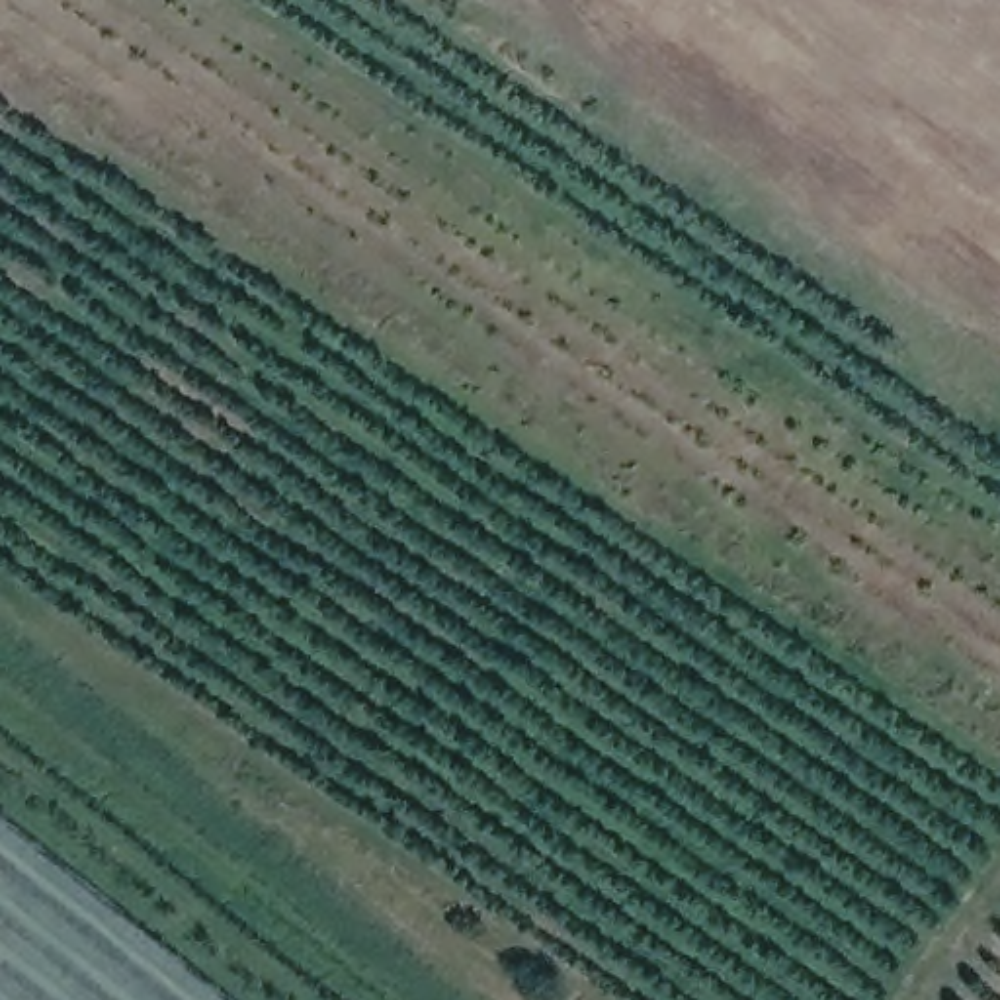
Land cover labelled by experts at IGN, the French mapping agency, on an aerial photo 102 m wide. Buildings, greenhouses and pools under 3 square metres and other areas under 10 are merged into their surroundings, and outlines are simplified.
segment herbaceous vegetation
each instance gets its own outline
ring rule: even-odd
[[[789,207],[773,207],[766,191],[758,191],[762,176],[746,172],[746,164],[734,160],[719,141],[695,137],[691,145],[668,145],[656,121],[648,125],[637,109],[625,105],[629,90],[613,74],[586,63],[574,47],[566,47],[559,31],[551,31],[547,23],[523,27],[516,16],[492,12],[480,0],[402,0],[465,47],[504,66],[535,94],[559,102],[594,133],[621,145],[656,176],[680,184],[691,199],[703,199],[707,207],[723,211],[750,238],[805,266],[828,289],[855,301],[867,316],[887,320],[895,332],[891,340],[879,340],[871,355],[898,367],[922,391],[953,406],[961,418],[980,422],[980,430],[992,430],[1000,438],[1000,344],[980,332],[949,328],[941,316],[926,313],[922,305],[910,305],[906,297],[891,297],[871,270],[840,270],[828,254],[813,250],[813,242],[797,230]]]
[[[0,273],[20,289],[31,289],[39,301],[51,301],[55,309],[63,305],[66,289],[43,281],[43,273],[35,273],[23,262],[8,262],[0,270]]]
[[[660,535],[695,566],[730,570],[738,578],[738,594],[754,598],[773,617],[797,625],[805,637],[828,641],[832,660],[859,672],[863,684],[883,688],[914,719],[926,719],[930,727],[945,730],[957,746],[969,746],[980,762],[992,762],[1000,770],[1000,500],[984,492],[977,480],[957,477],[945,461],[930,457],[902,430],[883,426],[879,414],[863,410],[836,383],[816,379],[781,344],[750,332],[742,320],[727,316],[711,301],[699,301],[668,273],[652,270],[641,254],[617,246],[613,234],[602,234],[586,219],[578,219],[563,199],[539,191],[527,176],[520,176],[512,164],[457,133],[453,125],[445,125],[441,117],[422,113],[398,90],[371,78],[359,63],[344,59],[336,47],[305,31],[301,23],[285,20],[266,0],[0,0],[0,98],[12,109],[47,121],[63,141],[121,164],[160,203],[180,207],[188,219],[199,219],[219,238],[219,250],[230,250],[277,273],[289,289],[297,289],[336,320],[379,340],[379,348],[391,352],[391,359],[398,359],[406,371],[449,391],[488,426],[512,434],[523,449],[551,461],[582,488],[598,492],[605,504]]]
[[[188,758],[195,777],[203,777],[219,793],[219,801],[238,801],[246,820],[289,836],[293,852],[313,871],[332,875],[340,891],[352,891],[359,906],[387,922],[422,961],[438,969],[441,980],[484,1000],[523,1000],[508,977],[516,965],[531,969],[535,977],[563,977],[566,1000],[617,1000],[602,992],[578,965],[563,961],[559,949],[547,949],[527,930],[516,930],[480,895],[469,895],[461,883],[453,883],[441,863],[422,859],[402,840],[391,840],[383,820],[371,820],[340,805],[332,793],[313,785],[281,758],[250,746],[246,734],[223,723],[207,703],[164,680],[160,672],[145,668],[129,652],[113,648],[74,613],[63,613],[39,590],[31,590],[27,578],[8,574],[0,582],[0,625],[12,637],[35,641],[43,656],[59,660],[70,676],[86,680],[94,695],[121,707],[168,750]]]
[[[898,988],[887,1000],[1000,1000],[1000,828],[992,820],[980,820],[977,832],[988,844],[988,859],[969,875],[949,918],[918,941],[918,953],[902,965]]]

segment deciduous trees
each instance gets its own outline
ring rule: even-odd
[[[531,969],[516,965],[508,977],[523,1000],[566,1000],[563,977],[535,977]]]
[[[699,301],[711,301],[727,316],[742,320],[750,332],[781,344],[816,379],[836,383],[863,410],[879,414],[883,426],[902,430],[930,457],[945,461],[957,477],[977,480],[984,492],[1000,500],[1000,438],[992,430],[980,430],[980,422],[961,418],[953,406],[922,391],[898,367],[871,355],[879,340],[891,340],[895,332],[887,320],[867,316],[855,301],[828,289],[805,266],[750,238],[723,211],[707,207],[703,199],[691,199],[680,184],[656,176],[621,145],[594,133],[559,102],[535,94],[504,66],[465,47],[402,0],[266,0],[285,20],[301,23],[305,31],[336,47],[344,59],[359,63],[371,78],[398,90],[422,113],[441,117],[445,125],[453,125],[457,133],[512,164],[520,176],[527,176],[539,191],[563,199],[578,219],[586,219],[602,234],[613,234],[617,246],[641,254],[652,270],[668,273]]]
[[[332,875],[313,871],[293,852],[289,836],[246,820],[238,801],[219,801],[219,793],[203,777],[195,777],[188,758],[168,750],[121,707],[94,695],[86,680],[70,676],[59,660],[43,656],[35,641],[12,637],[0,625],[0,1000],[484,1000],[441,980],[438,969],[422,961],[387,922],[359,906],[352,891],[340,891]]]
[[[66,289],[63,305],[55,309],[51,301],[39,301],[31,289],[20,289],[0,273],[0,582],[8,574],[27,578],[31,590],[39,590],[63,613],[74,613],[113,648],[129,652],[145,668],[160,672],[164,680],[207,703],[223,723],[246,734],[250,746],[281,758],[313,785],[332,793],[340,805],[371,820],[383,820],[391,840],[402,840],[422,859],[441,863],[453,883],[461,883],[469,895],[480,895],[516,930],[527,930],[547,949],[559,949],[563,961],[578,965],[602,992],[617,1000],[887,1000],[898,988],[902,965],[918,953],[918,941],[949,918],[969,875],[988,859],[988,844],[977,832],[980,820],[992,820],[1000,828],[1000,770],[992,762],[980,762],[969,746],[957,746],[945,730],[930,727],[926,719],[914,719],[883,688],[863,684],[859,672],[832,660],[828,641],[805,637],[797,625],[773,617],[754,598],[738,594],[738,578],[730,570],[695,566],[660,535],[605,504],[598,492],[582,488],[551,461],[523,449],[512,434],[488,426],[449,391],[406,371],[398,359],[391,359],[391,352],[379,348],[379,340],[336,320],[297,289],[289,289],[277,273],[230,250],[219,250],[219,238],[199,219],[188,219],[180,207],[160,203],[121,164],[63,141],[47,121],[12,109],[0,98],[0,270],[8,262],[23,262],[35,273],[43,273],[43,281]]]

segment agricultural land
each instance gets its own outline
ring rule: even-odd
[[[906,297],[910,305],[922,305],[926,313],[941,316],[949,328],[980,332],[1000,344],[1000,0],[480,0],[492,12],[516,16],[523,27],[547,23],[551,31],[559,31],[566,47],[574,47],[586,63],[613,74],[629,90],[625,105],[637,109],[648,125],[656,121],[668,145],[691,145],[695,137],[719,141],[734,160],[746,164],[746,172],[762,176],[758,191],[766,191],[773,207],[789,207],[797,230],[813,242],[813,250],[828,254],[840,270],[871,270],[891,297]]]

